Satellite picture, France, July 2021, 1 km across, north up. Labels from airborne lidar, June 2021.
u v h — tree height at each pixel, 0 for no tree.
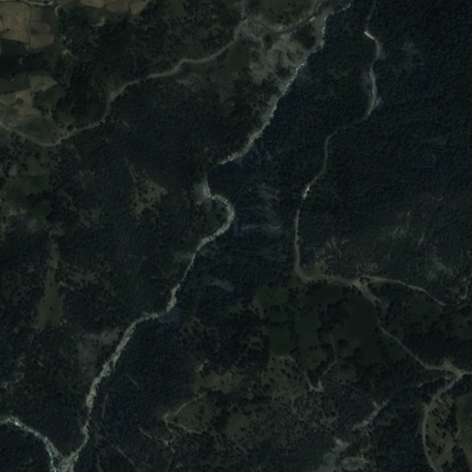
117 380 11
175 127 7
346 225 12
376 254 7
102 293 10
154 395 14
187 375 12
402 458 18
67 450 10
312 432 7
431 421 0
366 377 11
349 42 7
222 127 15
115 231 12
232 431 0
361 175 14
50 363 6
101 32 11
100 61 14
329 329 14
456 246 11
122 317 10
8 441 16
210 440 13
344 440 9
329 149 9
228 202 26
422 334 7
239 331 15
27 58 11
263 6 0
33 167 0
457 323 0
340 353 0
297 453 13
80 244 11
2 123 0
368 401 11
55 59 0
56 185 10
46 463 11
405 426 12
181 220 8
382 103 0
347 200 12
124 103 17
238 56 0
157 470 22
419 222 8
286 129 7
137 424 15
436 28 15
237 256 9
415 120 12
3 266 14
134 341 13
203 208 12
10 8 0
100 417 12
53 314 0
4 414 9
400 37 13
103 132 14
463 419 0
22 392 11
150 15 12
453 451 9
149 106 10
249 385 9
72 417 13
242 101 11
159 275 10
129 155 11
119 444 21
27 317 8
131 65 8
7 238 8
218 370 7
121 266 10
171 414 0
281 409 7
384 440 16
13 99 0
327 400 15
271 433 9
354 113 11
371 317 0
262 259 9
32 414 14
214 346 7
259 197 6
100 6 0
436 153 9
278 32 0
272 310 8
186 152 11
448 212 7
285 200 8
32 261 8
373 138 13
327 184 13
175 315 0
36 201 13
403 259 6
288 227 7
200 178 11
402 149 8
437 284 7
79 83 23
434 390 19
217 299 11
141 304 8
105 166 12
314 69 9
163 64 7
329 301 0
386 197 9
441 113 11
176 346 13
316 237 9
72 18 6
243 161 0
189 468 8
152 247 14
